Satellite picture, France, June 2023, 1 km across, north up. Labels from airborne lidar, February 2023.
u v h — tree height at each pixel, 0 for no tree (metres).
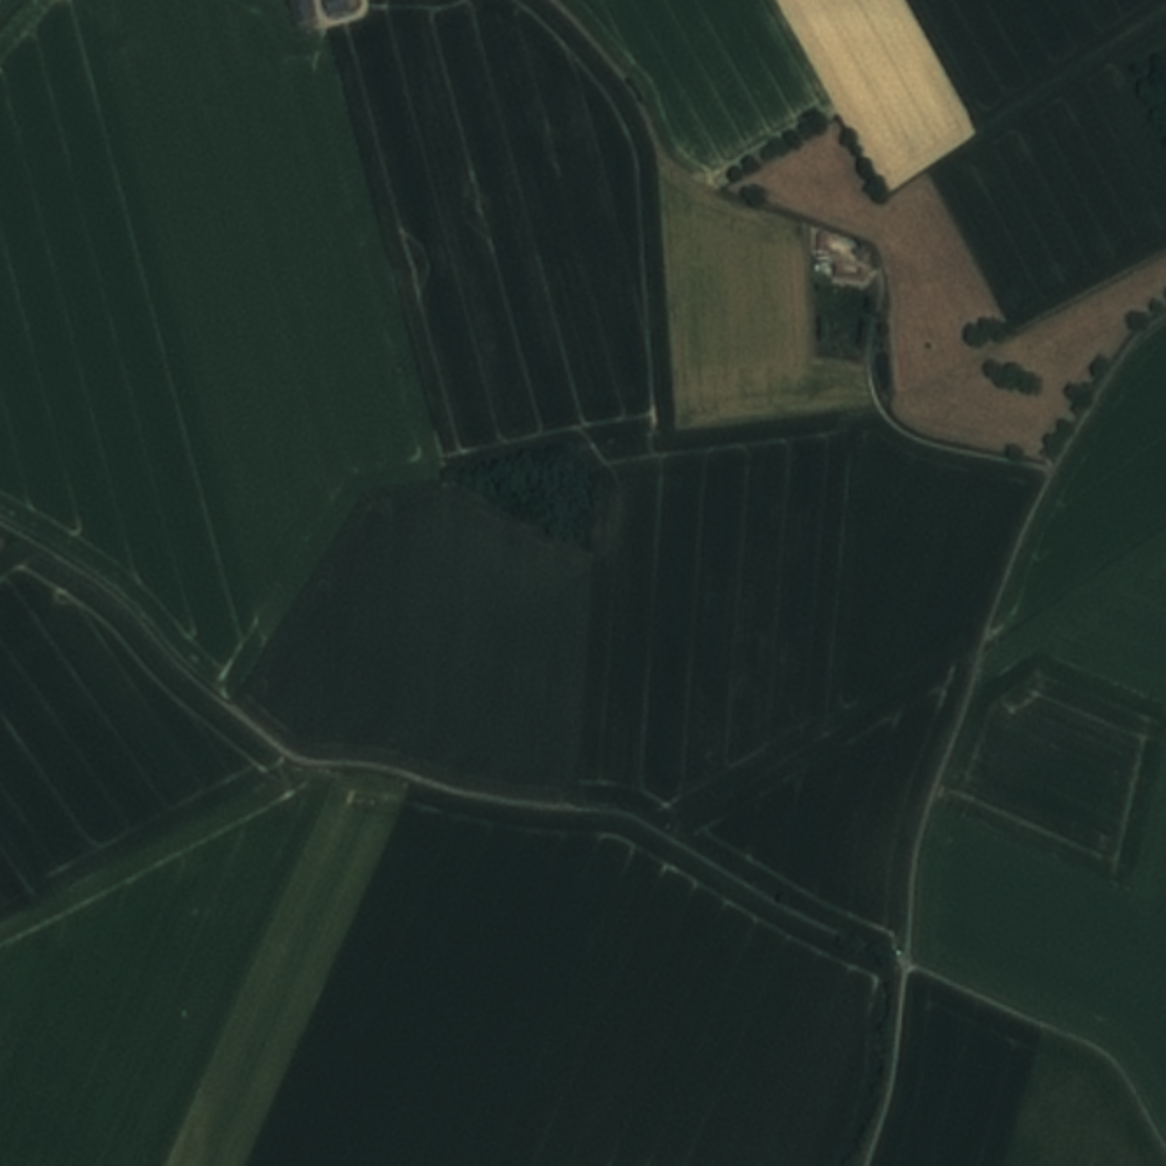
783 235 0
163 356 0
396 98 0
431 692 0
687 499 0
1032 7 0
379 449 0
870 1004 0
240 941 0
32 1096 0
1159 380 0
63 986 0
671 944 0
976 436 0
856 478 0
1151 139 0
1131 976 0
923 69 0
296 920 0
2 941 0
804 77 0
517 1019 0
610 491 0
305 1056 0
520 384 0
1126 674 0
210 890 0
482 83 0
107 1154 0
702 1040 0
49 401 0
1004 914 0
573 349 0
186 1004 0
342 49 0
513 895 0
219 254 0
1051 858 0
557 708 0
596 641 0
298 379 0
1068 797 0
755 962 0
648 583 0
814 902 0
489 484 18
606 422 0
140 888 0
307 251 0
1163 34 0
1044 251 0
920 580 0
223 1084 0
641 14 0
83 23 0
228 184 0
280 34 0
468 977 0
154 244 0
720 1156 0
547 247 0
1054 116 0
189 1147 0
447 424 0
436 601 0
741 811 0
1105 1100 0
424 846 0
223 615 0
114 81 0
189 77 0
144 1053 0
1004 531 0
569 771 0
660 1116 0
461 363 0
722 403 0
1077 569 0
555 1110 0
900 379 0
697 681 0
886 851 0
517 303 0
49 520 0
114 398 0
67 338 0
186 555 0
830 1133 0
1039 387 18
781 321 0
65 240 0
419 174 0
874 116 0
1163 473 0
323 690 0
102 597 0
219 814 0
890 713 0
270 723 0
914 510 0
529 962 0
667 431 0
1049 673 0
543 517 15
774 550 0
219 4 0
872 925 0
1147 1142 0
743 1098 0
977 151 0
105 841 0
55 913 0
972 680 0
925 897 0
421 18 0
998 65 0
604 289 0
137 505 0
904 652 0
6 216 0
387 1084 0
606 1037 0
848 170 0
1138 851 0
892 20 0
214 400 0
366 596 0
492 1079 0
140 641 0
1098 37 0
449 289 0
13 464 0
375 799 0
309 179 0
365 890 0
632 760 0
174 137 0
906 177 0
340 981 0
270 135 0
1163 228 0
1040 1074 0
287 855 0
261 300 0
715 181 0
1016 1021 0
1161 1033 0
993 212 0
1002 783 0
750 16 0
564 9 0
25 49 0
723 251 0
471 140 0
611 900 0
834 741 0
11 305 0
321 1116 0
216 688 0
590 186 0
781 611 0
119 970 0
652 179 0
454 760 0
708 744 0
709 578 0
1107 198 0
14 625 0
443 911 0
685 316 0
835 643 0
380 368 0
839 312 0
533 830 0
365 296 0
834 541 0
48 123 0
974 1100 0
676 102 0
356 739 0
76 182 0
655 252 0
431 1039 0
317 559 0
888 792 0
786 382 0
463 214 0
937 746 0
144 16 0
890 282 0
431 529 0
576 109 0
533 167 0
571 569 0
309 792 0
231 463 0
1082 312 0
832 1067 0
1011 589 0
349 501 0
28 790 0
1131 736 0
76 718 0
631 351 0
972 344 18
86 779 0
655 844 0
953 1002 0
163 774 0
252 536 0
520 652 0
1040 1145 0
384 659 0
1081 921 0
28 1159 0
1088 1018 0
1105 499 0
